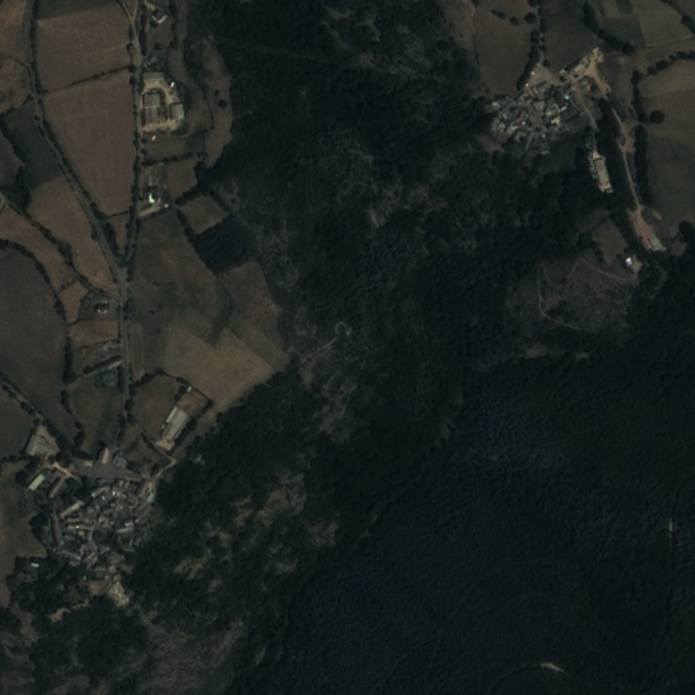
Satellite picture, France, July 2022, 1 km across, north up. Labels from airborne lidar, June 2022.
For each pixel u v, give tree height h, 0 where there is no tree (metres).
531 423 13
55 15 0
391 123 20
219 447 11
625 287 7
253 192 0
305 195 9
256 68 13
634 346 18
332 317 9
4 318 0
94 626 10
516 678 14
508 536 12
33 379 0
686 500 12
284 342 0
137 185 9
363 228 13
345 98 17
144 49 9
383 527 22
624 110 0
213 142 0
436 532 14
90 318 0
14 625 13
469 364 18
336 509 13
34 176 0
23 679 0
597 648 14
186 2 0
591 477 14
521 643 10
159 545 14
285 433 9
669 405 26
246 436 12
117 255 8
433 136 15
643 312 15
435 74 11
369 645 20
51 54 0
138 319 0
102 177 0
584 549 25
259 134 14
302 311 0
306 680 14
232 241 20
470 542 12
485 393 19
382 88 16
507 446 13
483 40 0
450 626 11
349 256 20
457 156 7
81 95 0
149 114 0
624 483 18
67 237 0
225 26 8
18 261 0
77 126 0
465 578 13
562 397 15
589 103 0
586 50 0
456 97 6
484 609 12
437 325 21
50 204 0
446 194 15
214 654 0
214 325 0
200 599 13
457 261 16
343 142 18
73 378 14
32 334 0
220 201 11
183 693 0
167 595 14
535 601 11
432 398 14
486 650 12
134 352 0
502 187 17
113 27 0
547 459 13
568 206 23
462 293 16
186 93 0
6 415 0
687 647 18
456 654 13
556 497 17
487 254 18
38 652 9
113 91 0
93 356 0
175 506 17
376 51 11
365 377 9
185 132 0
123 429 10
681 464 17
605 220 0
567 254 11
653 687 23
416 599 17
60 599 10
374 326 8
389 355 9
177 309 0
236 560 12
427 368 13
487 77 0
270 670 29
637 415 14
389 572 18
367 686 18
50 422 8
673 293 16
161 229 0
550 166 0
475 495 17
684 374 17
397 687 16
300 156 8
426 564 11
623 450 20
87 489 14
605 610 14
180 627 8
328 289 7
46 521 11
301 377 10
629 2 0
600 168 0
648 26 0
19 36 0
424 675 20
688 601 11
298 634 12
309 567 18
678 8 0
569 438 16
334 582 17
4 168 0
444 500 10
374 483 9
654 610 18
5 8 0
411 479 21
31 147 0
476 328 9
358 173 20
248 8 16
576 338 7
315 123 18
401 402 14
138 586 16
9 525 0
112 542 6
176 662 0
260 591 13
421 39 0
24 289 0
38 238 0
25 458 8
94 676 9
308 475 13
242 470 13
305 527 7
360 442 13
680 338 7
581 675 20
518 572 9
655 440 18
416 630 15
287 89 16
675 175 0
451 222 6
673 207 0
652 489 17
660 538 15
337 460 16
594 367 20
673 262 16
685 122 0
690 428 21
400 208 7
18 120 0
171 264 0
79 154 0
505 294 13
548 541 16
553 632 14
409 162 26
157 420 0
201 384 0
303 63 15
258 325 0
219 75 0
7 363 0
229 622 18
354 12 9
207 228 0
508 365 13
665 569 21
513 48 0
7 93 0
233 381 0
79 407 0
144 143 7
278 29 21
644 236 0
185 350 0
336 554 24
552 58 0
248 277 0
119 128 0
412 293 8
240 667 9
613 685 21
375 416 10
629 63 0
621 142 0
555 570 9
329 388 0
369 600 20
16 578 11
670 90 0
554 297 0
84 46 0
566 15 0
